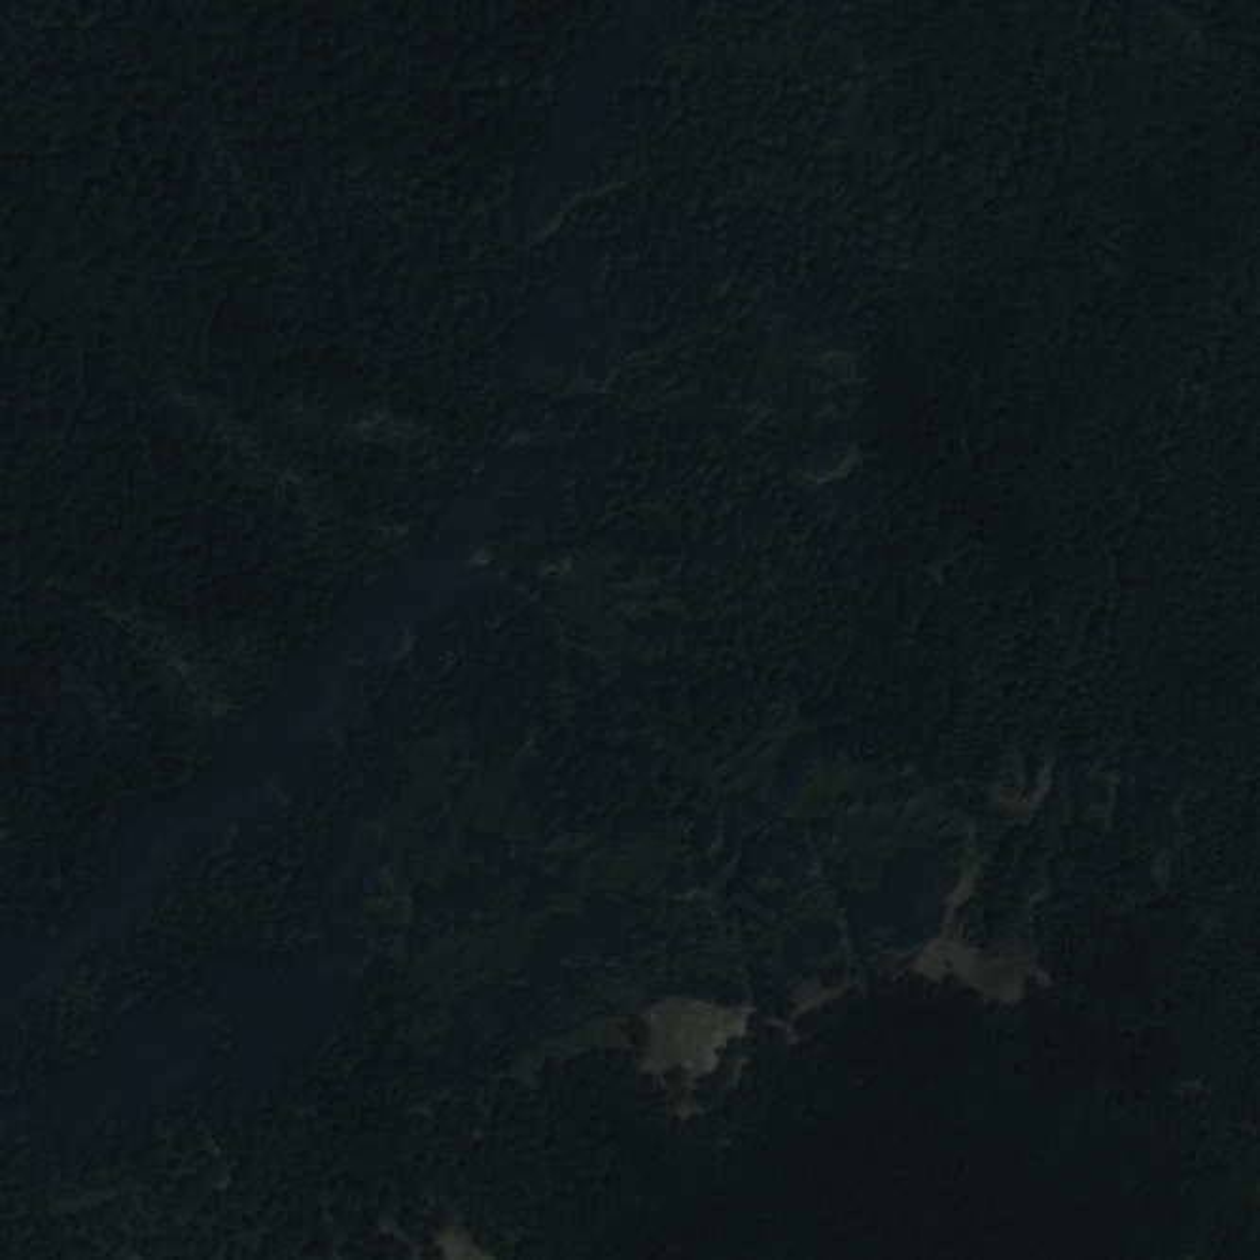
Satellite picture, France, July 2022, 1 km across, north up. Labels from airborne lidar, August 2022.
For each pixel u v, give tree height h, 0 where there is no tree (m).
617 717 17
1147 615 26
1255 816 19
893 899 0
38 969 16
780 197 11
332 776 21
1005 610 25
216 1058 18
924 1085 22
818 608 18
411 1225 18
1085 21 28
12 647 26
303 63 26
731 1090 9
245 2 28
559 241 7
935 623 27
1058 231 25
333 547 6
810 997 0
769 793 0
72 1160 14
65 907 21
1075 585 33
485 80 19
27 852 10
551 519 16
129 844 16
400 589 8
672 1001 0
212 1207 12
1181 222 32
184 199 32
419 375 22
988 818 18
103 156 36
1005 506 32
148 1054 15
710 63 11
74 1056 19
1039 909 11
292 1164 16
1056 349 32
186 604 29
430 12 13
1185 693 22
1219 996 14
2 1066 19
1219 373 29
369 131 23
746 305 16
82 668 31
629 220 20
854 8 13
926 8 18
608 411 11
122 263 14
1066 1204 15
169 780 26
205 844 11
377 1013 25
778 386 10
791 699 12
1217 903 17
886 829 0
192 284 25
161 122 31
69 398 28
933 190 26
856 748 14
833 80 6
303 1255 16
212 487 31
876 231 12
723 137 19
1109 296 28
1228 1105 24
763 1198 18
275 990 19
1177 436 26
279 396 14
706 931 5
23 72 21
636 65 10
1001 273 25
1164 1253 12
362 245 25
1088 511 32
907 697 17
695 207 17
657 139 14
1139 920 18
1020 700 23
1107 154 19
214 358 13
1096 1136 14
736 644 21
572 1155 18
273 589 26
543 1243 17
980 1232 18
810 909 0
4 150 24
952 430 32
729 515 14
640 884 0
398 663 8
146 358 31
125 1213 14
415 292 15
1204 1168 18
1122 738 21
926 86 24
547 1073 12
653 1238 22
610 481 18
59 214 28
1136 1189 17
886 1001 22
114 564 23
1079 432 23
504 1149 14
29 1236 15
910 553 26
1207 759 20
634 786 17
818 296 21
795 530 22
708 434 25
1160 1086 13
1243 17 26
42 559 26
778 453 12
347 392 7
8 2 35
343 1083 21
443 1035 0
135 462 28
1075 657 26
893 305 15
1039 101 29
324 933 10
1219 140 31
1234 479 29
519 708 14
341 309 28
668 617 0
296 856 13
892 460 22
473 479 24
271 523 26
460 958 0
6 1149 12
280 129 24
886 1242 19
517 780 0
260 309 27
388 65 11
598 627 0
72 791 29
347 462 21
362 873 6
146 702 30
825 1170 18
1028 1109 16
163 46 32
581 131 7
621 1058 11
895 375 27
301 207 28
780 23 16
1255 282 25
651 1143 16
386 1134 19
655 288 7
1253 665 24
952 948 0
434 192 15
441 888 0
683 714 23
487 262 15
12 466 33
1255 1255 23
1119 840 17
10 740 31
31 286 23
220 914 13
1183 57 16
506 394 16
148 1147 13
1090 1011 13
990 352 29
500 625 15
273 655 7
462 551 10
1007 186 33
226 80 25
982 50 19
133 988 23
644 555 15
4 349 17
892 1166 20
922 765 9
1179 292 23
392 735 5
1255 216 23
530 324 14
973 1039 16
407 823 0
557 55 20
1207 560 31
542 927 0
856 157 15
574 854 0
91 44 31
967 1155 17
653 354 12
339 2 11
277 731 7
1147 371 21
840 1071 23
